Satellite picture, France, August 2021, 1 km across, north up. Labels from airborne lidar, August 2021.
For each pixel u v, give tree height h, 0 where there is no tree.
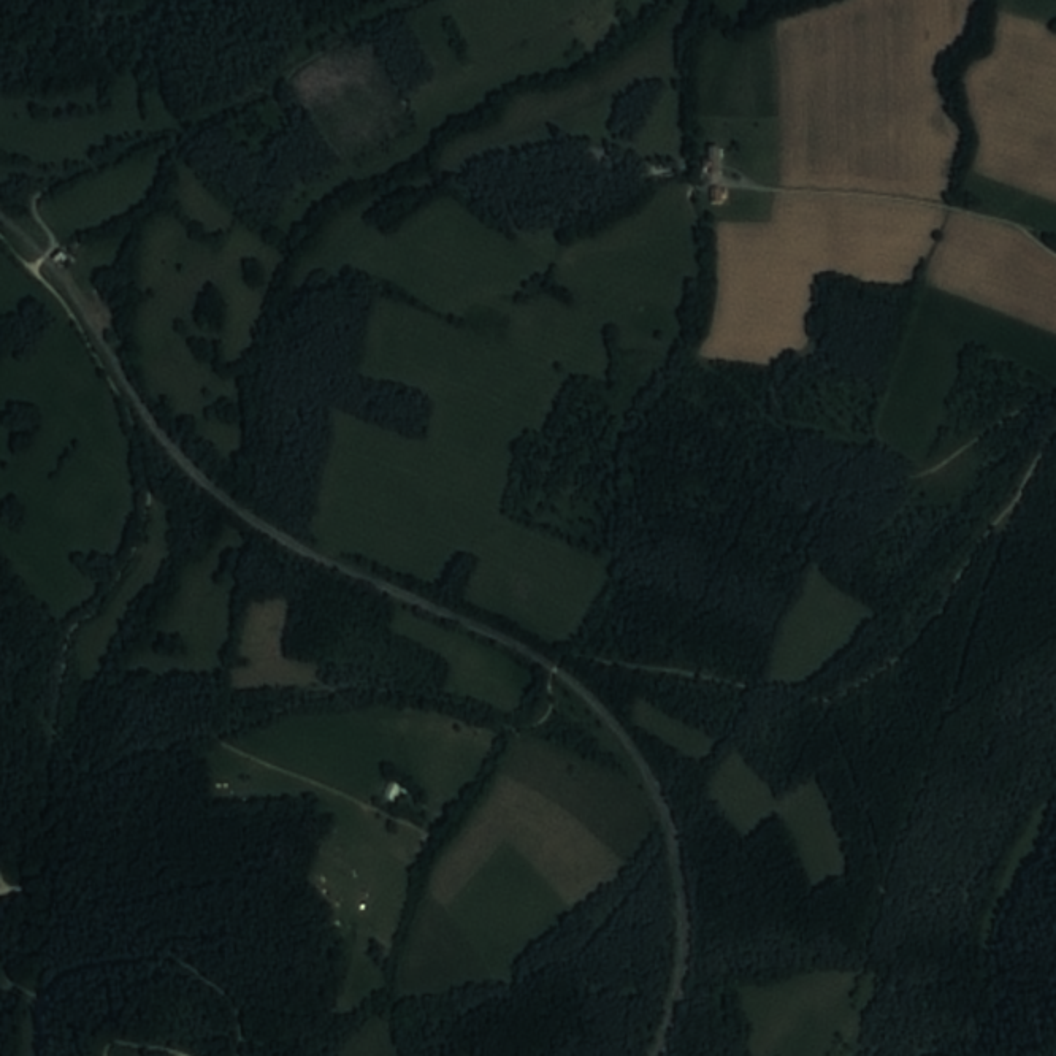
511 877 0
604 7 0
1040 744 14
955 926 14
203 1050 10
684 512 11
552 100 0
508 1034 14
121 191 0
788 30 0
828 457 17
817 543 15
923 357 0
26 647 14
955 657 9
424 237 0
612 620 10
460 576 18
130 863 17
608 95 0
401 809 11
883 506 17
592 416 10
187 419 14
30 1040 0
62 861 18
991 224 0
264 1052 13
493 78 0
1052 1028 19
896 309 15
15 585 20
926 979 18
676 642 11
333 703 15
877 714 6
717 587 22
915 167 0
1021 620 16
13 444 14
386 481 0
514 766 0
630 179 17
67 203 0
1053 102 0
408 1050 16
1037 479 10
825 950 13
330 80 0
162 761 18
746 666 8
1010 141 0
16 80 10
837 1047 7
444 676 6
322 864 0
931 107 0
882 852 7
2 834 25
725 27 12
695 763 14
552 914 0
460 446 0
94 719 19
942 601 9
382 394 19
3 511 13
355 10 8
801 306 0
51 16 15
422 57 11
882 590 11
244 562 17
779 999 0
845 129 0
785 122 0
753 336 0
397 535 0
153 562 0
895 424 0
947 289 0
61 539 0
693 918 11
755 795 0
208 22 25
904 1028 10
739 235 0
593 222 16
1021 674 10
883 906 13
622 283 0
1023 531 12
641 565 16
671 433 14
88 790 24
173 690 20
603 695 9
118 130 0
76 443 10
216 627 0
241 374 13
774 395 14
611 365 7
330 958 14
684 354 13
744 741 7
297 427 16
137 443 11
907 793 11
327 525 0
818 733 13
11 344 15
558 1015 16
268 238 22
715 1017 17
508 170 16
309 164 16
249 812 10
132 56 14
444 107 0
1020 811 15
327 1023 15
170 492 15
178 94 26
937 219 0
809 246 0
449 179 14
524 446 12
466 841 0
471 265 0
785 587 13
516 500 8
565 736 10
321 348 16
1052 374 0
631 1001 12
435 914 0
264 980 24
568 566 0
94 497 0
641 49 0
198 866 20
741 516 14
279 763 0
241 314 0
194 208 0
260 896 27
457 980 0
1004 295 0
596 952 14
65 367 0
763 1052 0
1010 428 9
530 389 0
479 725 8
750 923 9
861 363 16
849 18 0
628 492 6
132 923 30
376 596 9
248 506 15
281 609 0
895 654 10
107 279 19
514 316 0
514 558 0
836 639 0
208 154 18
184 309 0
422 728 0
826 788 14
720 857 15
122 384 0
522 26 0
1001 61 0
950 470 0
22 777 14
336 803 0
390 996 7
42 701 14
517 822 0
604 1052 17
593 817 0
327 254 0
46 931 27
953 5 0
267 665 0
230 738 12
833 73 0
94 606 11
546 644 10
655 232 0
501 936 0
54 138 0
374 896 0
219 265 0
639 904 11
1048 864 24
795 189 0
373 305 19
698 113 13
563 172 17
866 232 0
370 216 11
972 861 7
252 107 11
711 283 14
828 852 0
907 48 0
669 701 11
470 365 0
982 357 13
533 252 0
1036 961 22
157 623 10
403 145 0
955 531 13
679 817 9
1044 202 0
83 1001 19
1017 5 0
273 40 24
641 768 0
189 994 16
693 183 13
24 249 0
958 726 13
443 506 0
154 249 0
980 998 20
